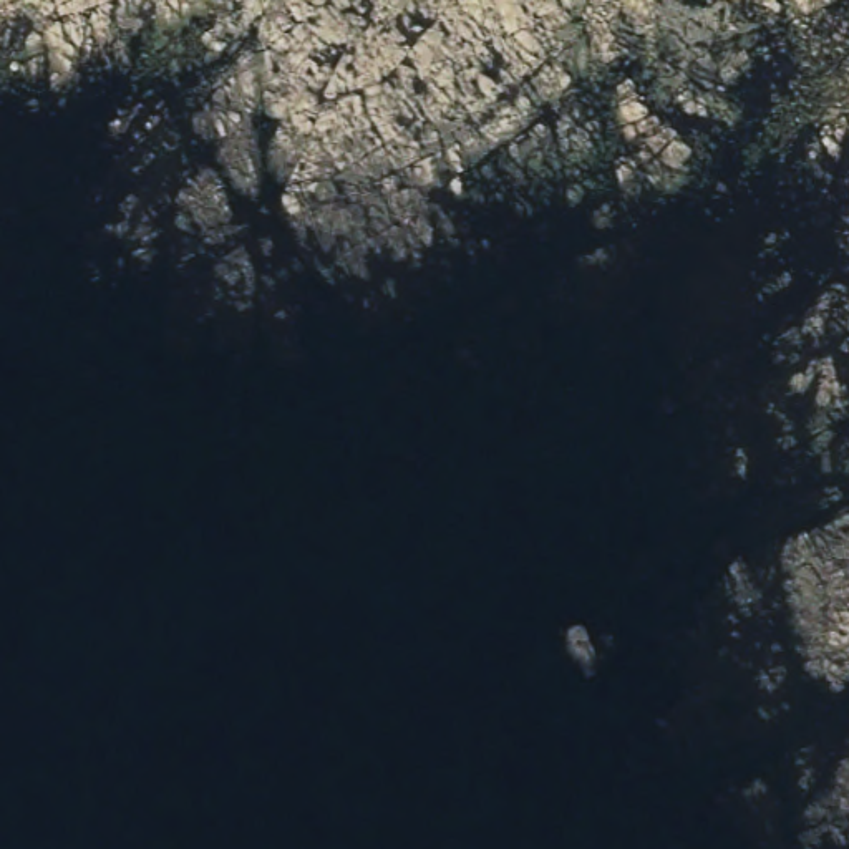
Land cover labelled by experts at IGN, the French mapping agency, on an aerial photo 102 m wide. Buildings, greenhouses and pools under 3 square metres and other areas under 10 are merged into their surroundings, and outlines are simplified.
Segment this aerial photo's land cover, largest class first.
<instances>
[{"label":"water","instance_id":"1","mask_svg":"<svg viewBox=\"0 0 849 849\"><path fill-rule=\"evenodd\" d=\"M216 23L212 17L189 13L179 23H166L159 17L143 20V27L126 43L129 60L123 63L106 43L93 50H76L73 73L66 83H50V43L27 46V36L33 33L30 17L17 13L0 20V849H849V680L842 683V690H832L826 677L806 670V637L793 620V604L786 590L789 570L783 564V547L786 541L806 531L826 527L832 517L822 507L826 471L819 468L816 451L803 458L793 448H779V421L766 415V405L799 371L793 365L776 361L773 345L763 342V335H779L786 328L803 325L813 315L816 298L829 285L846 279V249L839 245V239H846L842 222L849 212V189L836 172L832 182L816 179L809 163L786 166L776 163V156H763L759 163H746L733 146L723 143L710 156V179L703 189H693L690 182H683L673 192L647 186L643 192L630 196L620 189V182H614L610 189L584 192L580 202H567V196L551 199L544 209L531 216L514 212L504 202H468L458 192L444 209L458 232L454 245H448L444 239H431V245L421 249V259H395L391 249L368 252V275L358 279L342 269L335 252L322 249L318 229H295L282 206L285 179L275 172L272 159L279 119L269 113V106L289 96V86H265L255 90V96H242V80L235 70L239 60L229 50L216 53L202 43V33Z\"/></svg>","mask_w":849,"mask_h":849},{"label":"bare soil","instance_id":"2","mask_svg":"<svg viewBox=\"0 0 849 849\"><path fill-rule=\"evenodd\" d=\"M17 13L30 17L33 33L27 36V46L50 43V83H66L73 73L76 50H93L106 43L123 63L129 60L126 43L143 27V20L159 17L166 23H179L189 13L212 17L216 23L202 33V43L216 53L229 50L239 60L235 70L242 80V96H255V90L265 86H289V96L269 106V113L279 119L272 159L275 172L285 179L282 206L295 229H318L322 249L335 252L342 269L358 279L368 275V252L391 249L395 259H421V249L431 245V239H444L448 245H454L458 232L444 209L458 192L468 202H504L514 212L531 216L544 209L551 199L567 196V202H580L584 192L610 189L614 182H620V189L630 196L643 192L647 186L673 192L683 182H690L693 189H703L710 179V156L723 143L733 146L746 163H759L763 156H776V163L786 166L809 163L816 179L832 182L836 172L849 189V0H0V20ZM846 239H839V245L846 249V279L829 285L816 298L813 315L803 325L786 328L779 335H763V342L773 345L776 361L793 365L799 371L766 405V415L779 421V448H793L803 458L816 451L819 468L826 471L822 507L832 517L826 527L806 531L786 541L783 547V564L789 570L786 590L793 604V620L806 637V670L826 677L832 690H842V683L849 680V212L842 222Z\"/></svg>","mask_w":849,"mask_h":849}]
</instances>
